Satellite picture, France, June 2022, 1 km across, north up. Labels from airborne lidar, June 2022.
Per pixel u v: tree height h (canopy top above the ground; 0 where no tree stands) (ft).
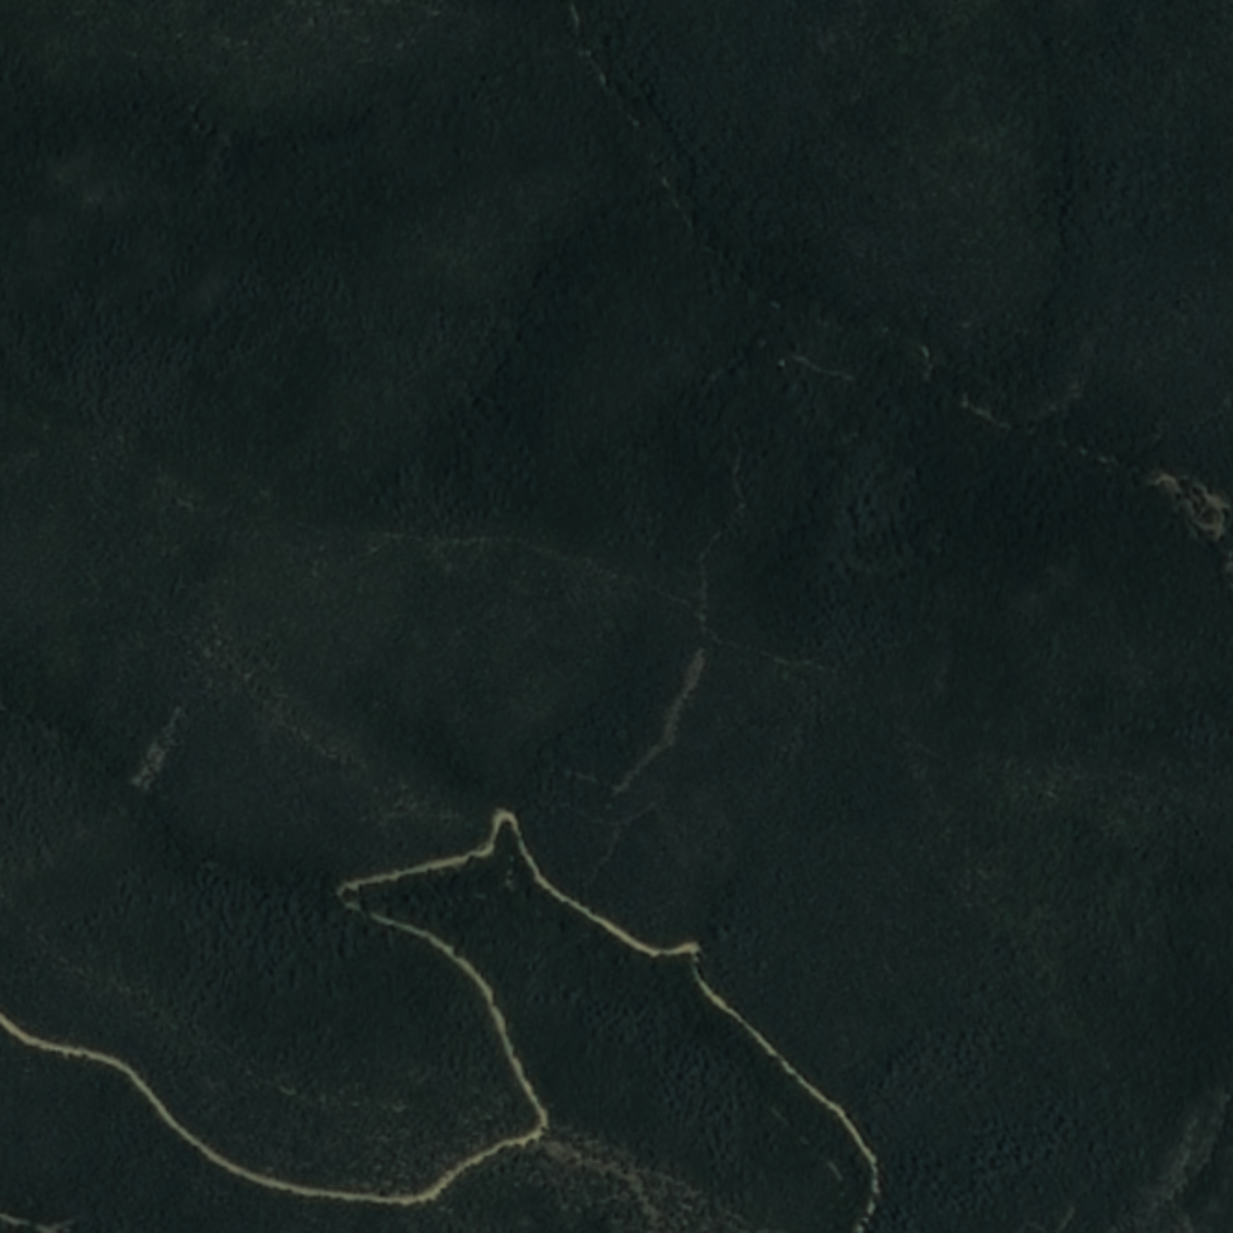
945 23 38
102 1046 22
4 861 35
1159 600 20
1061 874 26
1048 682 22
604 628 23
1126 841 42
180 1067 23
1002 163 23
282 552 21
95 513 25
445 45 17
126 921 21
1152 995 22
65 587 22
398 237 20
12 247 19
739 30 27
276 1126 29
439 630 24
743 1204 17
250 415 21
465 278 29
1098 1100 18
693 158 41
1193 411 18
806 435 24
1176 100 34
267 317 18
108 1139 38
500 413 35
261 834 24
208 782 24
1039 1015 22
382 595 26
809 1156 26
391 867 27
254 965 31
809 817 23
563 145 31
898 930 21
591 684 24
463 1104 21
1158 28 29
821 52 24
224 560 24
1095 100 21
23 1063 19
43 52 35
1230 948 20
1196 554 32
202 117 53
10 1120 18
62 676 33
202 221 20
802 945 23
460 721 32
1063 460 39
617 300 18
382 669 28
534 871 22
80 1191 26
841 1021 17
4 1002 22
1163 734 20
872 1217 32
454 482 22
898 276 23
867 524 51
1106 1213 22
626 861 19
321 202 29
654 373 24
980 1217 22
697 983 25
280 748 19
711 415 45
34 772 38
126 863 33
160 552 26
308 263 24
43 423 19
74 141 39
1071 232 39
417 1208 21
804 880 18
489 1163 24
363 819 27
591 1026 41
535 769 33
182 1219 20
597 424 27
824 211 24
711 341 24
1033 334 23
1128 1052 22
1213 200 24
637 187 26
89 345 42
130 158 21
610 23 33
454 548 18
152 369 31
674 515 18
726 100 26
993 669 19
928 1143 25
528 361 27
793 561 45
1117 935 35
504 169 17
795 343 38
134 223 29
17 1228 19
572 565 18
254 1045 21
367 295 26
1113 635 21
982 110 22
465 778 44
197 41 26
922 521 26
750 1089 28
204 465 18
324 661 27
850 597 27
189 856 39
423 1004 23
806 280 30
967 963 18
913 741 24
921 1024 27
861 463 20
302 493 21
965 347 20
